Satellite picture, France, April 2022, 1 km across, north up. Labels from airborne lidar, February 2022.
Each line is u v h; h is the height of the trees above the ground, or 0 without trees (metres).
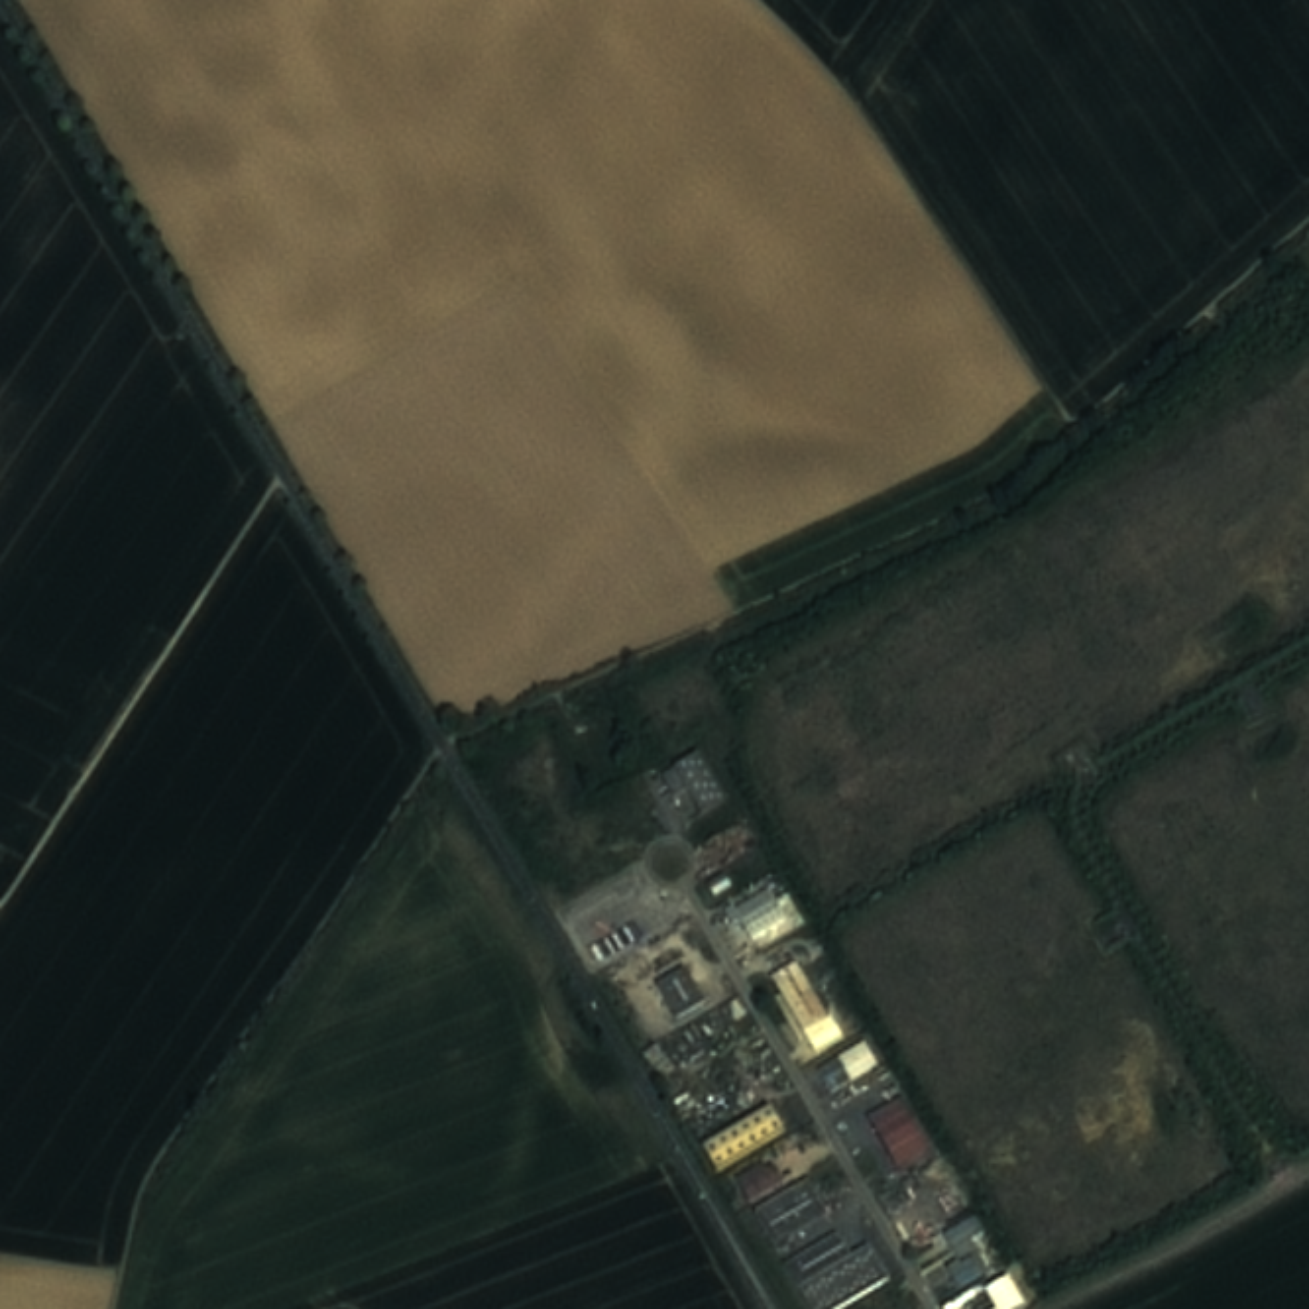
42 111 0
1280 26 0
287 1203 0
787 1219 0
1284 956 0
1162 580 0
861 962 0
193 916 0
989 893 0
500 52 0
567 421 0
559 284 0
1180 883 0
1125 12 0
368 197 0
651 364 0
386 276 0
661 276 0
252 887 0
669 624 0
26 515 0
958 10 0
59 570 0
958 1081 0
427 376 0
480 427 0
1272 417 0
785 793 0
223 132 0
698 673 0
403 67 0
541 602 0
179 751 0
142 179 0
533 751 0
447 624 0
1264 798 0
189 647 0
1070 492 0
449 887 0
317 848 0
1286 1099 0
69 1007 0
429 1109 0
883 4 0
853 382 0
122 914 0
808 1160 0
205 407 0
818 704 0
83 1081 0
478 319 0
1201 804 0
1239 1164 7
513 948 0
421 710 0
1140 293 0
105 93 0
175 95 0
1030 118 0
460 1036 0
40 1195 0
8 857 0
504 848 0
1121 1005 0
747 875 0
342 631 0
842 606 5
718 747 0
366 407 0
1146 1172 0
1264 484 0
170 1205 0
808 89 0
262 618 0
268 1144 0
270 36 0
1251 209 0
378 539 0
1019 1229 0
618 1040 0
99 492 0
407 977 0
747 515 0
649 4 0
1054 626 0
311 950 14
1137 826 0
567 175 0
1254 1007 0
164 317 0
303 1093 0
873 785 0
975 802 0
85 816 0
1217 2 0
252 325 0
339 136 0
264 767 0
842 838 0
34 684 0
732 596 0
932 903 0
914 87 0
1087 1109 0
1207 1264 0
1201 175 0
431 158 0
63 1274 0
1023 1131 0
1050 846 0
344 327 0
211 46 0
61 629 0
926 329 0
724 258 0
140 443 0
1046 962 0
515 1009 0
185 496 0
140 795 0
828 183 0
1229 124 0
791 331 0
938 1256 0
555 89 0
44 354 0
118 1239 0
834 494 0
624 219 0
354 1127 0
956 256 0
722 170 0
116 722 0
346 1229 0
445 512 0
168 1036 0
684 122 0
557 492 0
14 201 0
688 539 0
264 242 0
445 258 0
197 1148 0
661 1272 0
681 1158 0
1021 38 0
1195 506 0
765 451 0
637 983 0
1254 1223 0
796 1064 0
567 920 0
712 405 0
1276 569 0
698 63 0
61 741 0
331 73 0
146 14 0
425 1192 0
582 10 0
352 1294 0
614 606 0
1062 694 0
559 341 0
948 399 0
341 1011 0
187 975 0
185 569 0
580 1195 0
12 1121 0
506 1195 0
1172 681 0
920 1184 0
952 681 0
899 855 0
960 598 0
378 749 0
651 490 0
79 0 0
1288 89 0
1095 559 0
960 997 0
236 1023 0
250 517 0
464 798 0
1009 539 0
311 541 0
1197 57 0
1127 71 0
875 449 0
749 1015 0
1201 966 0
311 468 0
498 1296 0
